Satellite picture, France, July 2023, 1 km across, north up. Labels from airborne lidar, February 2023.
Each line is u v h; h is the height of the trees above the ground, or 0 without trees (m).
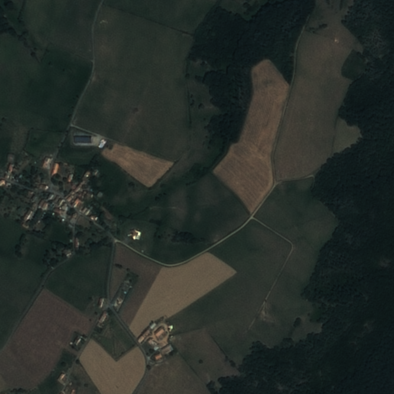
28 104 0
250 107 0
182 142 0
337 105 0
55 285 0
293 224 0
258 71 0
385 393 21
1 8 16
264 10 17
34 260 0
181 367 0
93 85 0
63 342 0
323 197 15
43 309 0
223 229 0
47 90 0
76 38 0
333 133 0
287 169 0
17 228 0
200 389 0
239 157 0
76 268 0
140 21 0
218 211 0
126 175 0
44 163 0
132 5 0
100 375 0
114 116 0
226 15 15
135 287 0
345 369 18
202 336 0
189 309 0
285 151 0
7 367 0
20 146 0
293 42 8
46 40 0
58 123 0
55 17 0
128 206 0
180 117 0
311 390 6
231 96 17
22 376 0
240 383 11
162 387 0
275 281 0
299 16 16
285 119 0
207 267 0
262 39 20
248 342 0
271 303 0
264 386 16
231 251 0
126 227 0
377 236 14
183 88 0
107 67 0
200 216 0
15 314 0
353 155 12
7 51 0
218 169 0
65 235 0
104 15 0
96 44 0
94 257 0
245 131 0
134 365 0
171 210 0
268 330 0
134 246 0
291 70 8
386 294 17
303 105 0
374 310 13
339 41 0
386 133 18
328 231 0
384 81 11
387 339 23
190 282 0
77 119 0
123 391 0
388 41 11
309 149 0
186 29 0
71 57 0
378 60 16
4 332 0
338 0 0
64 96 0
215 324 0
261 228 0
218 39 13
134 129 0
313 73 0
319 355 20
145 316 0
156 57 0
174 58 0
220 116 11
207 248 0
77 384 0
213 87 14
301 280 0
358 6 5
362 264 8
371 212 12
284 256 0
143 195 0
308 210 0
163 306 0
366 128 15
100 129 0
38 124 0
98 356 0
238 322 0
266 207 0
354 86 12
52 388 0
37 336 0
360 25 10
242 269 0
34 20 0
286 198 0
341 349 17
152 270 0
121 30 0
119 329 0
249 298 0
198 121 0
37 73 0
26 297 0
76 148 0
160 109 0
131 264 0
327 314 9
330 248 20
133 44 0
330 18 0
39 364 0
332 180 20
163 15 0
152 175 0
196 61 14
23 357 0
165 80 0
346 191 24
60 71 0
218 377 0
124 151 0
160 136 0
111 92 0
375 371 19
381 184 25
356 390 24
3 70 0
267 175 0
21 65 0
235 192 0
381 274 15
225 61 20
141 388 0
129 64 0
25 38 11
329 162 13
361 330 8
